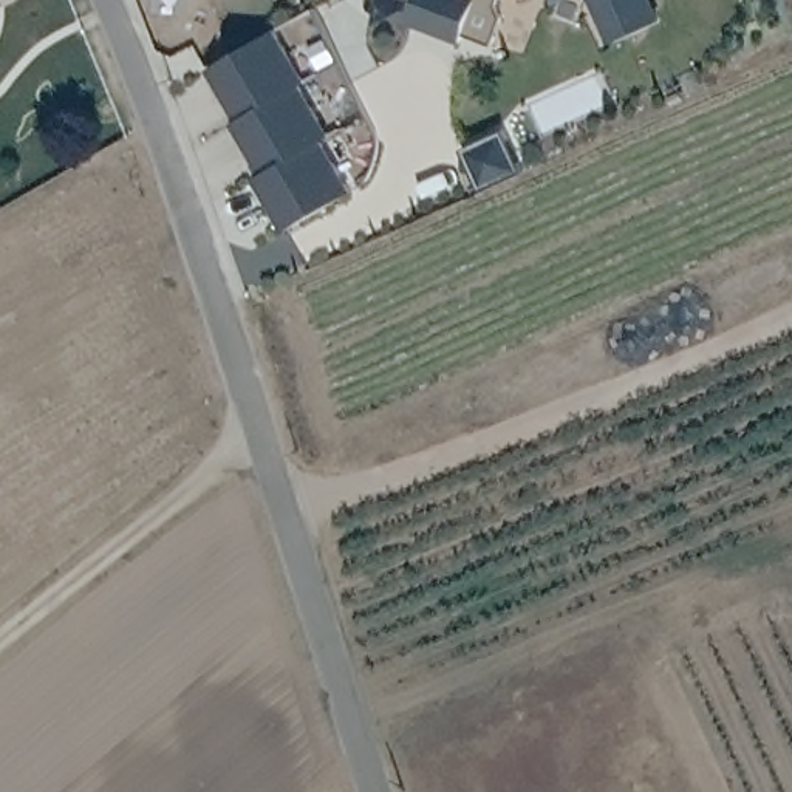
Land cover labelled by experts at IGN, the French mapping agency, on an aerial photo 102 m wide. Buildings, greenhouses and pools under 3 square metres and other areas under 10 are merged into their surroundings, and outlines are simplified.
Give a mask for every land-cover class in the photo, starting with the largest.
<instances>
[{"label":"agricultural land","instance_id":"1","mask_svg":"<svg viewBox=\"0 0 792 792\"><path fill-rule=\"evenodd\" d=\"M507 201H486L483 192L470 198V220H455L442 229H433V235L421 238L415 248L393 254L387 260H374L365 269L343 272L334 282L319 285L306 297L309 319L319 328L328 350L325 368L334 387L331 396L340 402V421L371 415L390 405L393 399H405L415 390H427V384H436L442 374L473 368L483 359H492L501 347H520L529 334L551 331L554 325L569 322L575 312H585L594 303L613 300L628 291H640L644 285H656L665 278H671L674 285L690 282L684 275V263L712 260L721 251L746 244L749 238L767 235L780 226H792V71L761 84L752 93L736 96L733 102H724L699 118H690L687 124L671 127L647 142H634L631 149L606 142L594 164L572 170L563 179H551L541 189L520 186L507 192ZM136 142L127 133L118 142H111L108 149H99L96 155L62 173L43 183L40 189L28 192L25 198L0 207V622L15 609H25L59 575L71 572L87 554H93L127 523H133L158 498H164L179 480H186L220 439L226 402L232 399L204 300H195L192 285L183 282L173 226L167 220L173 207L170 201L164 204L158 198L152 176L142 170L139 158H133ZM257 470L251 467H223L220 483L204 489L192 504H186L164 526L149 532L136 548L121 554L108 569H102L90 585H84L46 619H40L28 634H22L12 644L0 637V792H359L347 743L340 733V721L334 708H328V696L322 693L325 674L272 523V510L266 504L263 489L254 483ZM764 507L770 510L777 532H758L752 538L739 535L736 545H727L699 560L693 569L678 572L671 582L650 585L659 594L656 606L637 609L613 625L582 631L541 656H526L514 662L507 671L486 674L455 690L449 699L427 702L415 712L405 730H390L384 743L387 761H381L387 792H792V498Z\"/></svg>","mask_w":792,"mask_h":792},{"label":"herbaceous vegetation","instance_id":"2","mask_svg":"<svg viewBox=\"0 0 792 792\"><path fill-rule=\"evenodd\" d=\"M96 15V0H0V74L34 40L46 37L50 31L74 19ZM272 0H207L204 15H213L220 22V34L207 43L201 56L204 65L220 62L223 56L263 37L272 28L263 19V12ZM733 6H739L736 0H656V19L650 25L616 40L603 37L600 31L579 34L572 28L554 25V12L541 6L535 15V28L526 40V50H510L492 62L498 99H476L470 93V65L476 59H455L452 68L449 118L461 139L467 142L501 127L514 105H523L526 99L563 80L582 77L585 71H597L603 77V99L625 96L631 87H640V99L631 114L600 121L597 136L591 142L579 149H557L551 133H535L523 142V152H517V173L483 192L486 201H507V192L520 186L541 189L551 179H563L572 170L594 164L606 142L631 149L634 142H647L671 127L687 124L690 118H699L724 102H733L736 96L752 93L761 84L792 71V0H777L780 22H746L743 50L733 53L724 65H708L715 84H699L690 74V65L712 40L721 37V22L733 12ZM668 77L681 80V96L653 105V80ZM291 43L294 59L303 68L300 84L334 130L328 133V149L331 158L340 164L337 173L347 183V195L368 186V176L381 164L384 145L377 142L368 114L359 105L356 84L343 65V53L328 34V25L319 9H306L272 28ZM393 34L368 31L371 59L381 65L390 62L411 31L396 15H390ZM133 93L108 46L102 22L90 28L84 37H68L50 46L43 56H37L12 84V90L0 87V207L25 198L28 192L40 189L43 183L62 173L43 152L34 124L43 127L59 111L87 114L99 105L102 121L118 127L108 136L111 142H118L127 133L130 111L124 99H130ZM470 201L430 213L421 223L387 238H377L371 244H362V251H353L325 266H300L297 272H282L260 285H244L248 300H235V312L254 359V377L260 381L263 402L272 418L275 446L291 480L300 470H309L316 476H343L347 470H365L390 464L405 455L427 452L449 439L495 427L507 418L548 405L575 390L613 381L628 368L647 365L650 359L705 343L712 334L739 328L770 309L792 303V226H780L767 235L749 238L746 244L721 251L712 260L684 263V275L690 282L674 285L671 278H665L656 285H644L640 291H628L613 300L594 303L585 312H575L569 322L554 325L551 331L529 334L520 347H501L492 359H483L473 368L442 374L436 384H427V390H415L405 399H393L390 405L371 415L340 421V402L331 396L334 387L325 368L328 350L319 328L309 319L306 297L319 285L334 282L343 272L365 269L374 260H387L393 254L415 248L421 238L433 235V229H442L455 220H470ZM690 442L650 455L637 442H616L585 455L582 461L563 464L566 473H575V483L551 492L557 501L585 495L588 489L609 483H628L637 492H647L662 483L684 480L696 470H712L724 461V455L718 452L705 461L674 467L671 458L690 452ZM724 532L739 535L752 538L758 532H777L770 510L764 507L724 520L705 532L674 541L665 551L628 560L609 572L591 575L582 585H569L551 597L532 600L504 616L483 619L480 625L449 634V640L430 647H418L421 634H436L461 616L517 597L523 591L520 582H507V575H498L495 566H486L461 582L433 588L377 616L353 619L340 594L347 588H368L371 579L359 572L343 575L337 545L340 532L334 529L331 517L309 535L316 563L328 572V603L334 613V631L340 640V653L350 662V674L365 705L371 743L381 761H387L384 743L390 730H405L415 712L427 702L449 699L455 690L486 674L507 671L514 662L526 656H541L582 631L613 625L637 609L656 606L659 594L650 585L671 582L678 572L671 569L674 557L721 538Z\"/></svg>","mask_w":792,"mask_h":792},{"label":"impervious surface","instance_id":"3","mask_svg":"<svg viewBox=\"0 0 792 792\"><path fill-rule=\"evenodd\" d=\"M421 0H316L319 9L328 25V34L343 53V65L356 84L359 105L368 114L377 142L384 145L381 164L368 176V186L347 195L340 201L316 207L291 226L294 238L288 244L254 251V238L266 232L269 223V217H263L257 189L251 186L248 161L229 133L226 111L204 77V65L201 56L207 43L220 34V22L213 15H204L207 0H96V15L74 19L50 31L46 37L34 40L0 74V87L12 90V84L37 56H43L50 46L68 37H84L90 28L102 22L108 46L133 93L130 99H124L130 111L127 133L136 142L133 158H139L142 170L152 176L158 198L164 204L170 201L173 207L167 220L173 226L183 282L192 285L195 300H204L232 399L248 439L251 467L257 470L254 483L263 489L266 504L272 510V523L325 674L322 693L328 696V708H334L340 721V733L347 743L359 792H387L381 761L371 743L365 705L350 674V662L340 653V640L334 631V613L328 603V572L316 563L309 535L291 480L275 446L272 418L263 402L260 381L254 377V359L235 312V300H248L244 285H260L282 272H297L300 266L303 254H312L319 248H337L340 241H350L356 232H371L396 213H408L424 198H436L439 192H449L455 186L464 189L470 183V167L461 158V139L449 118L452 68L455 59H476L492 62L510 50H526V40L535 28V15L541 6L554 12V25L572 28L579 34L600 31L585 0H501V15L486 46L467 40L446 43L430 34L411 31L390 62L381 65L371 59L368 31L393 34L390 15H396L411 12ZM603 99V77L597 71H585L582 77L563 80L526 99L523 105H514L501 127L510 145L523 142L535 133H551L569 121H582L585 114L597 111Z\"/></svg>","mask_w":792,"mask_h":792},{"label":"deciduous trees","instance_id":"4","mask_svg":"<svg viewBox=\"0 0 792 792\"><path fill-rule=\"evenodd\" d=\"M306 9H319L316 0H272L263 12V19L272 28ZM470 93L476 99H498L492 62L476 59L470 65ZM118 127L102 121L99 105L87 114L59 111L43 127L34 124L43 152L62 173L96 155L99 149H108L111 142L108 136ZM616 442H637L650 455L690 442V452L671 458L674 467L705 461L718 452L724 455V461L712 470H696L684 480L662 483L647 492H637L628 483H609L588 489L585 495L557 501L551 492L575 483V473H566L563 464L582 461L585 455ZM792 498V331L727 353L724 359L702 365L696 371L674 374L659 387L637 390V396L622 399L616 408L569 418L560 427L538 433L535 439L504 446L486 458H470L458 467L439 470L396 492L368 495L356 504L334 510L331 517L334 529L340 532L337 545L343 575L359 572L371 579L368 588H347L340 594L353 619L377 616L433 588L461 582L486 566H495L498 575H507V582H520L523 591L517 597L461 616L436 634H421L418 647H430L449 640V634L480 625L483 619L504 616L532 600L551 597L569 585H582L591 575L609 572L628 560L665 551L674 541L705 532L724 520L764 507ZM739 535L724 532L721 538L674 557L671 569L678 572L693 569L699 560L727 545H736Z\"/></svg>","mask_w":792,"mask_h":792},{"label":"building","instance_id":"5","mask_svg":"<svg viewBox=\"0 0 792 792\"><path fill-rule=\"evenodd\" d=\"M396 15L411 31L430 34L446 43L467 40L486 46L501 15V0H421L411 12ZM600 31L603 37L616 40L650 25L656 19V0H585ZM204 77L226 111L229 133L248 161L251 186L257 189L263 217H269V223L291 226L316 207L340 201L347 195V183L337 173L340 164L331 158L328 149V133L334 130L300 84L303 68L294 59L291 43L272 28L263 37L223 56L220 62L204 65ZM517 152H523V142L510 145L501 127L467 142L461 139V158L470 167V183L464 189L470 198L483 192L517 173Z\"/></svg>","mask_w":792,"mask_h":792},{"label":"pervious surface","instance_id":"6","mask_svg":"<svg viewBox=\"0 0 792 792\"><path fill-rule=\"evenodd\" d=\"M792 331V303L770 309L739 328L712 334L705 343L650 359L647 365L628 368L613 381L575 390L548 405L507 418L495 427L449 439L427 452L405 455L390 464L365 470H347L343 476H316L309 470H300L291 480L309 535L331 517L334 510L356 504L368 495L396 492L439 470L458 467L470 458H486L504 446L535 439L538 433L560 427L569 418L616 408L622 399L637 396V390L659 387L674 374L696 371L702 365L724 359L727 353ZM223 467H251L248 439L232 399L226 402L220 439L186 480H179L164 498H158L133 523H127L93 554H87L71 572L59 575L25 609H15L0 622V637L12 644L22 634H28L40 619H46L84 585H90L102 569H108L121 554L136 548L149 532L164 526L186 504H192L204 489L220 483Z\"/></svg>","mask_w":792,"mask_h":792},{"label":"brushwood","instance_id":"7","mask_svg":"<svg viewBox=\"0 0 792 792\"><path fill-rule=\"evenodd\" d=\"M739 6H733V12L721 22V37L712 40L690 65V74L699 84H715L708 65H724L733 53L743 50L746 22H780L777 0H736ZM681 96V80L668 77L653 80V105ZM640 99V87H631L625 96L603 99L597 111L585 114L582 121H569L551 133L557 149H579L591 142L597 136L600 121L631 114ZM470 201V198L464 189L455 186L449 192H439L436 198H424L408 213H396L371 232H356L350 241H340L337 248H319L312 254H303L300 266H325L353 251H362V244H371L377 238H387L421 223L430 213ZM294 238L291 226L269 223L266 232L254 238V251L288 244Z\"/></svg>","mask_w":792,"mask_h":792}]
</instances>
